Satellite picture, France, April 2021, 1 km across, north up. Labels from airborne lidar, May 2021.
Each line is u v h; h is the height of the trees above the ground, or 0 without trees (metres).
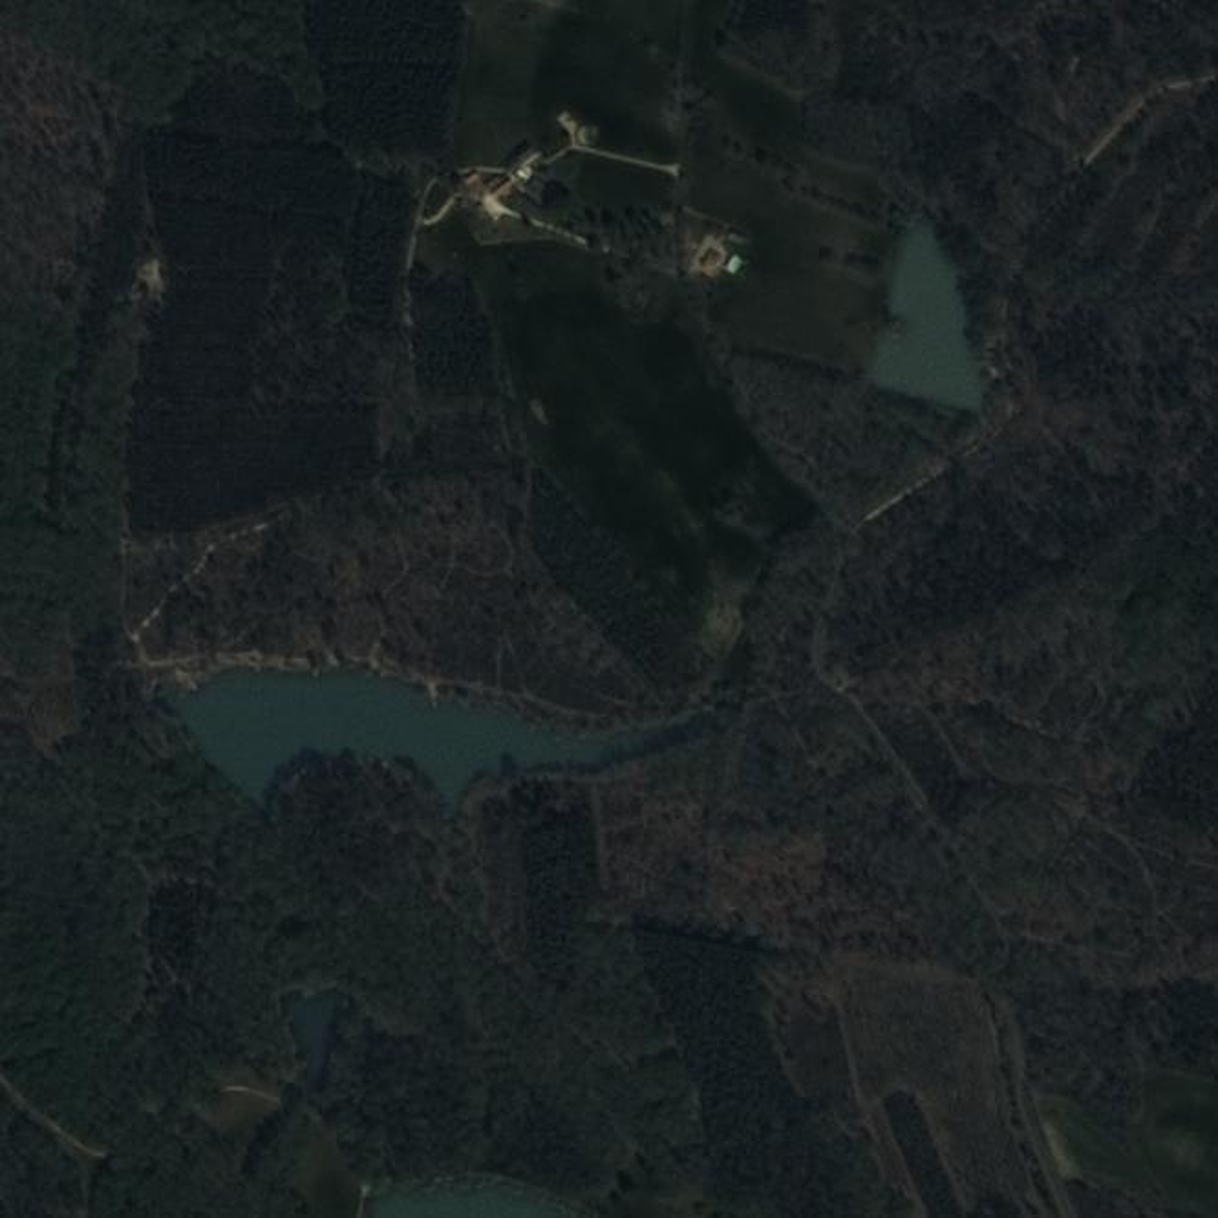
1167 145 8
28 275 10
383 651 6
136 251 10
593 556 9
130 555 9
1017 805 14
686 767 17
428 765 0
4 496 22
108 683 28
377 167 13
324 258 14
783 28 17
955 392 0
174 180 17
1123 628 14
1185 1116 0
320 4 18
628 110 0
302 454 15
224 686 0
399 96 20
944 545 10
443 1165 27
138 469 18
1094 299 10
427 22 20
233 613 12
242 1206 29
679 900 7
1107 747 13
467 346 17
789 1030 10
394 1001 23
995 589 15
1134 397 8
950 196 9
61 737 0
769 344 0
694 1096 21
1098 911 12
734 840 21
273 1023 23
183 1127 21
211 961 14
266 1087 21
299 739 0
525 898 15
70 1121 17
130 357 11
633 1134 24
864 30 7
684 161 0
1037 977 19
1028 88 18
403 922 23
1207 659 9
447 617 7
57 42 17
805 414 15
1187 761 21
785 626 14
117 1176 21
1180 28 20
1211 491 15
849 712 12
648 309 0
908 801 12
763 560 0
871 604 6
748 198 0
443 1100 27
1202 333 13
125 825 12
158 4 22
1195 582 14
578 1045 20
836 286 0
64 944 19
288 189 16
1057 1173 0
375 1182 13
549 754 0
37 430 20
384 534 12
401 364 12
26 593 19
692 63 0
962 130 18
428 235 8
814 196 8
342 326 14
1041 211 12
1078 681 14
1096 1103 13
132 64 16
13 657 18
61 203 12
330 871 21
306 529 10
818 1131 22
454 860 22
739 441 0
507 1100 25
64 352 15
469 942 25
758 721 11
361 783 23
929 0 20
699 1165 22
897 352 0
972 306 19
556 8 0
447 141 15
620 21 0
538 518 11
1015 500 11
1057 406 12
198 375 12
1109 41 23
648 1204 0
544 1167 22
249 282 16
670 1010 11
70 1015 20
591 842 18
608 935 14
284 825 28
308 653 9
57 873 18
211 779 18
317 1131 23
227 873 25
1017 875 16
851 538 14
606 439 0
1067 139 20
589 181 0
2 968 16
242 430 13
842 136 16
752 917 16
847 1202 26
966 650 9
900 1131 14
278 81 18
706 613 0
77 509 23
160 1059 17
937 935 16
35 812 26
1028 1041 11
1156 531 7
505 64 0
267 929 21
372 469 15
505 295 0
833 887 12
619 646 13
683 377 0
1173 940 8
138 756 16
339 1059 20
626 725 16
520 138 0
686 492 0
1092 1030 13
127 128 13
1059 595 7
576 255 0
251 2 22
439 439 12
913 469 22
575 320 0
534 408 0
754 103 0
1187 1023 14
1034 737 11
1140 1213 9
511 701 8
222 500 9
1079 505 14
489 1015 27
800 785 9
